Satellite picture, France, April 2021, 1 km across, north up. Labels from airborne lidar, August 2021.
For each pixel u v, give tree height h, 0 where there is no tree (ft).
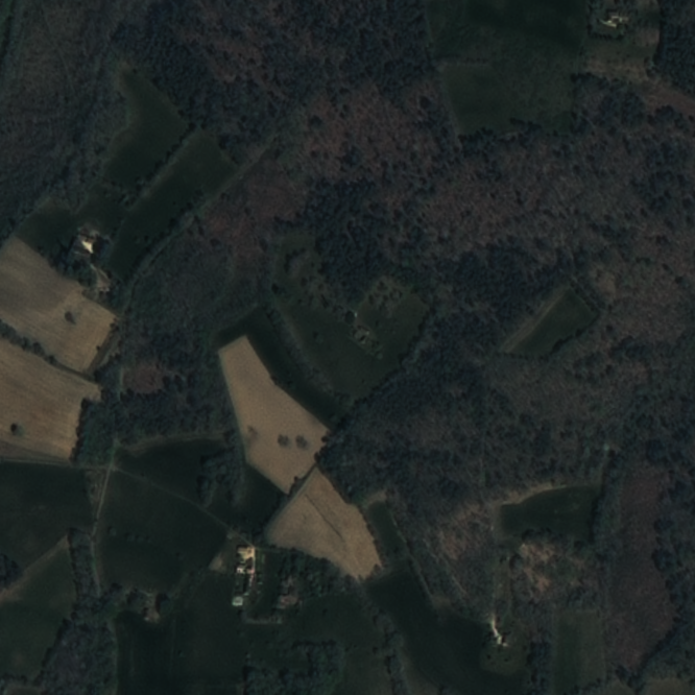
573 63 0
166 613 62
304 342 0
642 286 46
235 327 54
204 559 0
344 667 27
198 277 62
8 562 56
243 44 87
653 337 48
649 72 25
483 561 64
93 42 44
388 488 61
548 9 0
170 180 0
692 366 52
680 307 45
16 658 0
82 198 81
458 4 0
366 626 0
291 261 52
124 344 54
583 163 30
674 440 26
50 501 0
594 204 43
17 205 30
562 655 0
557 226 41
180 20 87
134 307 67
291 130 68
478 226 24
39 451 0
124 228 0
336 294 52
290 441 30
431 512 54
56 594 0
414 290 65
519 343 0
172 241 33
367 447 71
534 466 37
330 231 85
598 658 0
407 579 0
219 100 88
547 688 46
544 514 0
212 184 0
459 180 23
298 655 32
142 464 0
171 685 0
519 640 0
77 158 31
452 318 54
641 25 25
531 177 32
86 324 0
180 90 90
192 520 0
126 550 0
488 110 0
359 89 77
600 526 73
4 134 38
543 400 45
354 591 74
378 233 71
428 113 73
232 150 82
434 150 22
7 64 73
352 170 84
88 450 67
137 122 0
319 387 54
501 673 0
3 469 0
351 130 27
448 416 51
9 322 0
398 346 0
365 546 0
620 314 43
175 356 67
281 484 0
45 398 0
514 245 70
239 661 0
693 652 47
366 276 81
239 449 38
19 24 50
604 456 52
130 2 50
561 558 72
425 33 57
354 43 78
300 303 24
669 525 46
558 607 70
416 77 73
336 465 71
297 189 24
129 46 70
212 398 64
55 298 0
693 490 25
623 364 53
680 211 44
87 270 60
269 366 0
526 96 0
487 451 42
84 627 43
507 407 49
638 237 51
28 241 0
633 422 66
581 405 50
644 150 43
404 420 68
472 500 51
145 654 0
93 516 0
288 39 24
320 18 26
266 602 0
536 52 0
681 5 65
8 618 0
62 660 44
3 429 0
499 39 0
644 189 64
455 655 0
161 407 83
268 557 0
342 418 0
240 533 29
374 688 0
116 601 57
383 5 27
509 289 76
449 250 33
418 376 58
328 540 0
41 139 25
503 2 0
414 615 0
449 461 53
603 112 61
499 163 26
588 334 34
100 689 57
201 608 0
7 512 0
